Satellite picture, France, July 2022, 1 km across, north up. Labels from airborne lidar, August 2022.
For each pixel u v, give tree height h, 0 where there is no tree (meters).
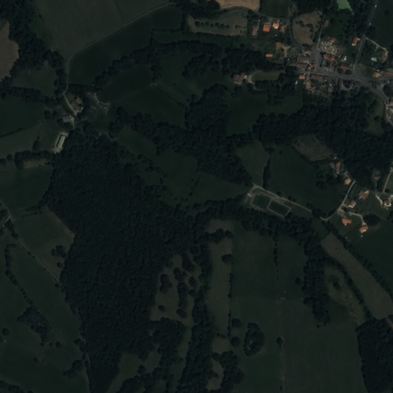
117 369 19
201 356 20
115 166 32
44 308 0
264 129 36
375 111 13
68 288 19
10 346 0
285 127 37
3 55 0
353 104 21
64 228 0
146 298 19
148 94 0
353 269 0
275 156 0
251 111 0
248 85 6
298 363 0
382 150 26
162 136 36
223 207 25
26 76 0
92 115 0
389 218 11
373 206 0
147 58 11
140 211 23
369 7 6
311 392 0
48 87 0
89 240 20
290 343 0
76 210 20
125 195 21
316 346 0
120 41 0
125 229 22
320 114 22
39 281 0
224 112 26
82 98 11
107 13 0
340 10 6
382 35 0
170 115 0
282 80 24
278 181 0
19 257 0
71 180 23
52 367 0
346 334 0
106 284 20
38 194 0
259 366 0
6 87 17
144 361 17
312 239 19
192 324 0
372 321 12
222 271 0
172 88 0
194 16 19
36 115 0
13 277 13
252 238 0
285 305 0
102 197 19
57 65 31
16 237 16
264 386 0
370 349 20
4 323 0
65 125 10
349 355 0
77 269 21
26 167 0
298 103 0
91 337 22
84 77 0
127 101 0
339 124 26
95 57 0
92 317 25
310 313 0
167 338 23
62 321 0
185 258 12
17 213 0
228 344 0
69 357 0
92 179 22
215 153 24
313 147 0
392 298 8
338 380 0
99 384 18
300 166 0
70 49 0
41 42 21
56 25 0
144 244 22
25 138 0
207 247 19
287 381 0
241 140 21
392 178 0
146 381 26
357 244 0
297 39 0
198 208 15
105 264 13
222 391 17
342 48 0
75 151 21
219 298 0
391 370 24
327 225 8
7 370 0
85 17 0
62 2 0
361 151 25
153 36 6
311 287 24
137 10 0
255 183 0
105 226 19
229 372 15
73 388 0
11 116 0
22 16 23
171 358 18
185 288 26
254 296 0
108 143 33
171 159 0
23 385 0
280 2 0
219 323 0
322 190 13
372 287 0
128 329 22
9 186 0
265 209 0
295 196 0
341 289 12
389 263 0
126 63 24
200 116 24
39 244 0
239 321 18
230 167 23
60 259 0
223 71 10
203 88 0
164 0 0
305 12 13
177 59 0
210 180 0
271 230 15
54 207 22
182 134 28
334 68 0
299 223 14
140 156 11
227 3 0
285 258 0
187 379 19
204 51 21
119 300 19
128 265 18
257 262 0
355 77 0
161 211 25
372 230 0
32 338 0
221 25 7
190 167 0
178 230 22
